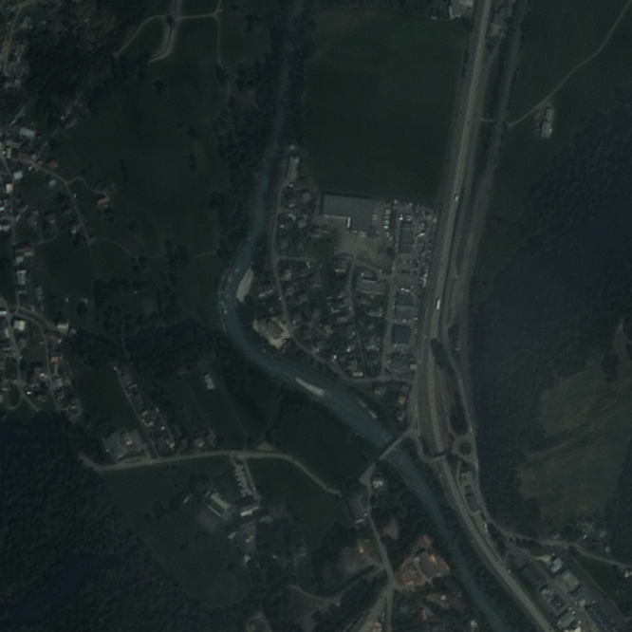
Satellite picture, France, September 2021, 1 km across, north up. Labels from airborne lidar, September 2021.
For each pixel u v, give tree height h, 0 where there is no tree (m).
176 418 10
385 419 8
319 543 0
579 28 0
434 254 0
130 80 17
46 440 15
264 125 23
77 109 7
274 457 0
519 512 10
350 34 0
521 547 10
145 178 0
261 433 0
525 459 12
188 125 0
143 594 17
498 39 0
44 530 20
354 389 6
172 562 0
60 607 15
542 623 0
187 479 0
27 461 23
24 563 24
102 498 27
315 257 0
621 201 19
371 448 6
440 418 0
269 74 19
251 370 9
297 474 0
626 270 22
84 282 0
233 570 11
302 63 12
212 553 0
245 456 0
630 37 0
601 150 26
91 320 0
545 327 24
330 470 0
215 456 0
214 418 0
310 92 0
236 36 0
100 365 23
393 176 0
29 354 0
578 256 28
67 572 20
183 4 0
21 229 0
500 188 0
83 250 0
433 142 0
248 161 26
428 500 0
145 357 26
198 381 0
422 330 0
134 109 0
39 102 9
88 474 11
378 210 0
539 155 0
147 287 9
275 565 10
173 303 15
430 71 0
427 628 0
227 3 0
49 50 18
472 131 0
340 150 0
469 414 0
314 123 0
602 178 19
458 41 0
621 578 11
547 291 20
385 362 0
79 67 21
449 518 19
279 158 14
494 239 0
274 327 0
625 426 0
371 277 0
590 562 0
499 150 9
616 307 20
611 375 8
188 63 0
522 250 0
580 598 0
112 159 0
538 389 10
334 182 0
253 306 16
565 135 0
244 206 14
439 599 0
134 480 0
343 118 0
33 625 15
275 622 18
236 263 0
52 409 0
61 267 0
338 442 0
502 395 22
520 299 28
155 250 0
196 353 19
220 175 0
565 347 14
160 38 0
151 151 0
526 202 0
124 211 0
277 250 0
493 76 0
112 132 0
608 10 0
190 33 0
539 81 0
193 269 0
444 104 0
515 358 23
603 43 0
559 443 10
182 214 0
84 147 0
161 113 0
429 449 14
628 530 12
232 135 17
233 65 0
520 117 0
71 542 20
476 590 0
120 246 0
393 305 0
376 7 0
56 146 16
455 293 0
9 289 0
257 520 0
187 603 24
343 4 17
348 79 0
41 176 0
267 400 0
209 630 22
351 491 14
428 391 0
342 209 0
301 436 0
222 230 18
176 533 0
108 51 20
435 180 0
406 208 0
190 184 0
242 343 0
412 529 12
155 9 0
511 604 17
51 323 0
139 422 0
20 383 0
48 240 0
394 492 14
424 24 0
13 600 28
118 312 12
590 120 0
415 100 0
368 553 0
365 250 0
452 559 24
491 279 0
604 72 0
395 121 0
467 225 0
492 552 0
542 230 21
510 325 28
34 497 34
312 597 0
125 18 26
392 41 0
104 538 23
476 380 16
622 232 23
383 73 0
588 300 21
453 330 7
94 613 28
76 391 0
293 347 16
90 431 0
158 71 0
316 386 0
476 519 0
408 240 0
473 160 0
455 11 0
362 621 0
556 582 0
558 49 0
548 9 0
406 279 0
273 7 0
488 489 14
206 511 0
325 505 0
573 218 23
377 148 0
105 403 0
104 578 16
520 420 16
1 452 31
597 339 15
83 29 13
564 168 21
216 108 0
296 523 13
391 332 0
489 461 22
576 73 0
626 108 26
